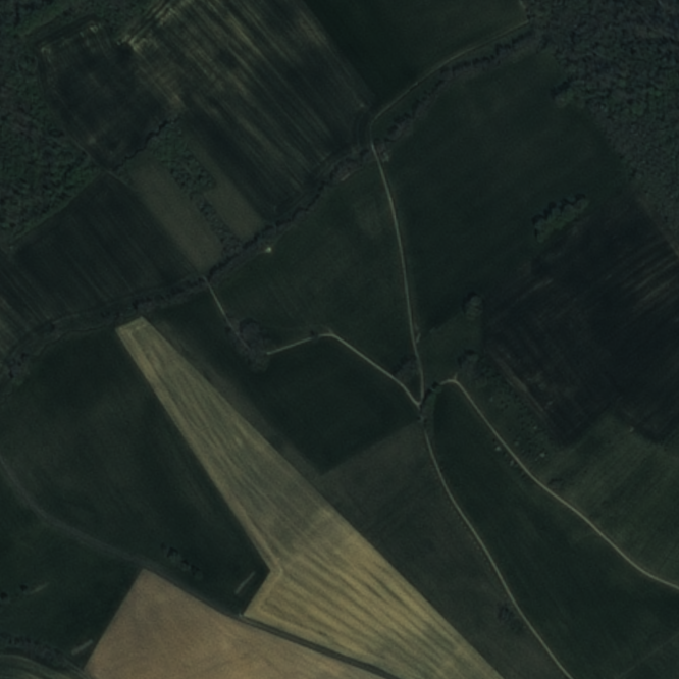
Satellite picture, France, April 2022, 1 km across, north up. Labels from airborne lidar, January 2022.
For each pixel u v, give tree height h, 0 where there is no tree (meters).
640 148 18
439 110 0
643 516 0
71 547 0
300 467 0
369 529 0
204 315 0
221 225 7
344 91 0
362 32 0
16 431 0
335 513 0
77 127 0
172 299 13
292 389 0
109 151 0
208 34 0
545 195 0
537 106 0
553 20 8
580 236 0
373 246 0
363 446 0
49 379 0
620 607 0
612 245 0
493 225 0
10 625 0
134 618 0
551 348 0
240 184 0
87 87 0
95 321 0
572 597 0
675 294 0
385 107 0
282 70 0
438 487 0
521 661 0
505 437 0
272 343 18
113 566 0
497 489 0
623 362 0
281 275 0
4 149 7
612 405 0
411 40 0
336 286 0
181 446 0
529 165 0
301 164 0
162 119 0
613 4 18
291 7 0
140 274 0
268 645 0
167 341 0
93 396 0
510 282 0
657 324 0
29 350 0
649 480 0
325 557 0
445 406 0
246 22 0
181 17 0
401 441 0
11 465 0
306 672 0
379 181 0
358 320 0
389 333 0
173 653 0
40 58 0
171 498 0
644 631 0
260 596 0
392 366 0
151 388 0
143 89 0
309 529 0
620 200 0
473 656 0
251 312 0
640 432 0
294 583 0
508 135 0
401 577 0
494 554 0
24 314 0
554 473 0
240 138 0
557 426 0
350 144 0
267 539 0
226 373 0
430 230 0
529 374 0
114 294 0
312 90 0
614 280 0
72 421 0
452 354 0
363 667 0
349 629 0
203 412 0
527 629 0
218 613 0
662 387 0
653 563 0
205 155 0
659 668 0
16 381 20
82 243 0
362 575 0
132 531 0
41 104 15
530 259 0
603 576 0
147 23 0
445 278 0
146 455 0
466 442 0
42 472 0
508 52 19
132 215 0
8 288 0
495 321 0
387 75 0
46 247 0
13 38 23
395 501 0
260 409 0
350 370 0
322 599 0
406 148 0
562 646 0
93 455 0
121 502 0
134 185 8
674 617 0
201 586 0
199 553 0
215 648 0
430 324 0
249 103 0
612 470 0
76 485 0
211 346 0
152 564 0
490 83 0
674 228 8
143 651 0
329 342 0
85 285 0
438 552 0
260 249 18
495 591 0
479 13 0
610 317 0
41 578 0
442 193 0
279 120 0
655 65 8
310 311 0
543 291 0
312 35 0
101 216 0
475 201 0
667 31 30
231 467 0
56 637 0
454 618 0
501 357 0
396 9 0
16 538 0
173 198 0
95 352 0
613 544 0
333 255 0
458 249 0
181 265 0
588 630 0
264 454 0
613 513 0
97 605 0
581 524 0
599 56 22
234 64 0
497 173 0
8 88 9
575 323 0
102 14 17
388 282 0
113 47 0
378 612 0
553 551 0
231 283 0
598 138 0
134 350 0
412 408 0
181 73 0
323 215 0
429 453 0
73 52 0
